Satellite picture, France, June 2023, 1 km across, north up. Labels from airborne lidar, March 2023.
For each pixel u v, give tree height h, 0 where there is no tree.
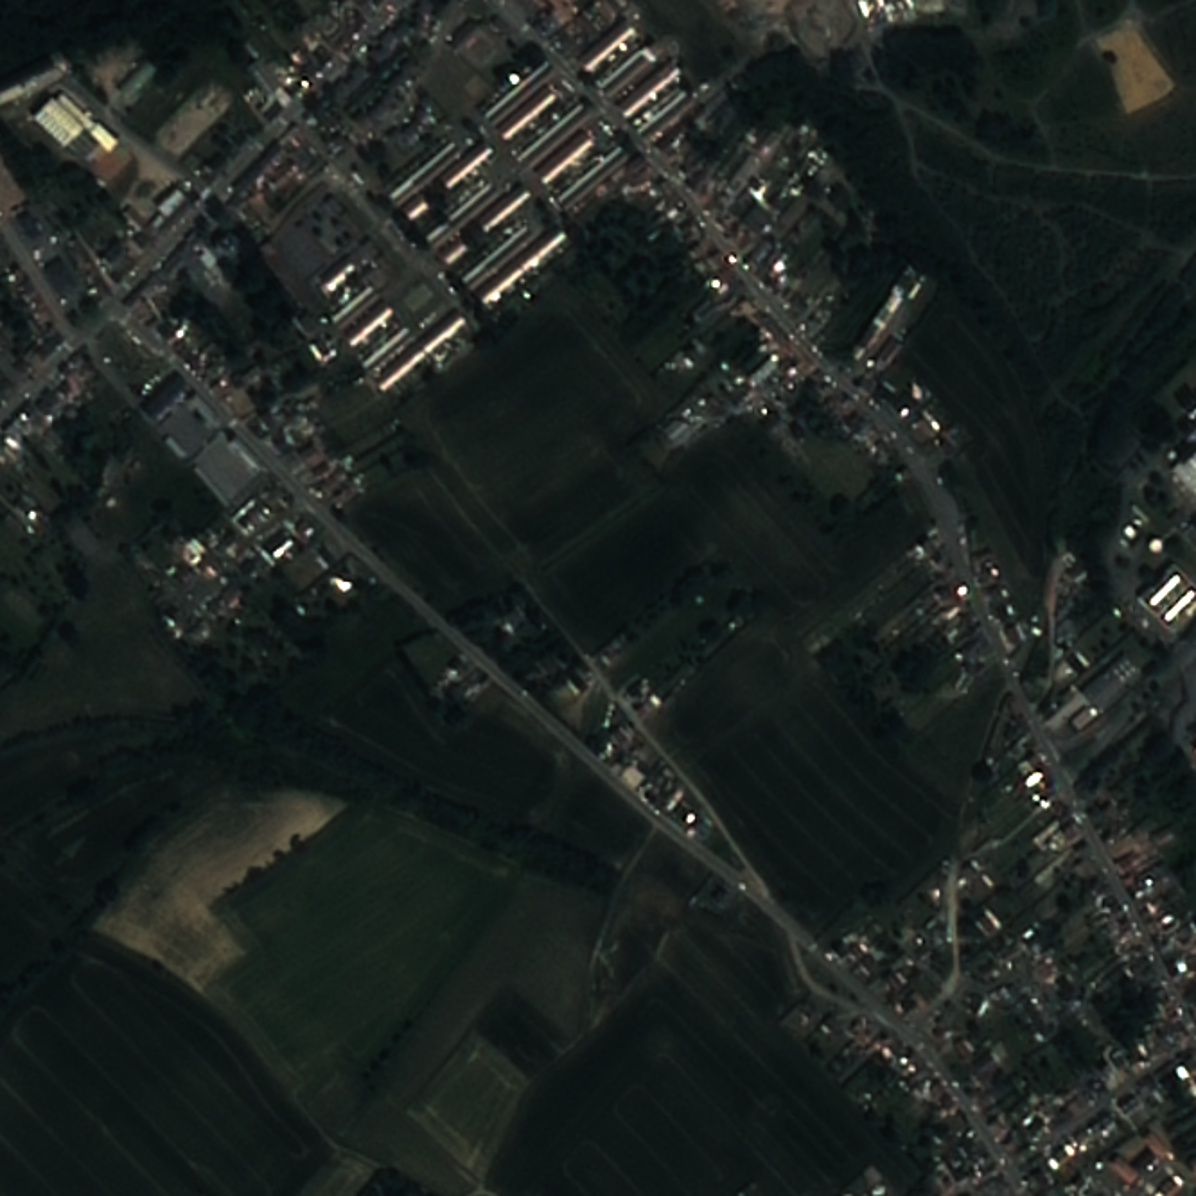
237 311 0
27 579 7
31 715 0
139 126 0
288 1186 0
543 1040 0
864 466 0
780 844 0
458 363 0
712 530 0
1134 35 0
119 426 6
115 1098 0
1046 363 6
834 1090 0
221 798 0
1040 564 0
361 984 0
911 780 0
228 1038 0
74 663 0
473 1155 0
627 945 0
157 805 0
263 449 0
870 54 0
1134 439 0
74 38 20
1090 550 9
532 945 0
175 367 0
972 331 0
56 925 0
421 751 0
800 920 0
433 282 0
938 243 6
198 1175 0
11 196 0
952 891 0
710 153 8
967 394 0
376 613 0
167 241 0
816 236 0
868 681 9
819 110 7
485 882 0
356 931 0
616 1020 0
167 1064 0
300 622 22
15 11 26
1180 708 0
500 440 0
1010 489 0
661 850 0
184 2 23
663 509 0
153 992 0
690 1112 0
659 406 0
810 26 0
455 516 0
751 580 0
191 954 0
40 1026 0
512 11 0
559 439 0
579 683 7
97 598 0
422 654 0
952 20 0
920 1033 0
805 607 0
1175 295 7
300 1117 0
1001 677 0
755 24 0
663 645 0
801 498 9
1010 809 0
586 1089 0
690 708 0
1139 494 0
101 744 0
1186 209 5
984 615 0
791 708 0
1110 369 6
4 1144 0
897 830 0
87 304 10
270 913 0
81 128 0
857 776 0
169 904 0
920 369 0
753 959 0
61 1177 0
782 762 0
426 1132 0
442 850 0
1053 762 0
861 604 0
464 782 0
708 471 0
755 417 0
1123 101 0
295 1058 0
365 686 0
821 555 0
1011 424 0
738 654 0
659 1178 0
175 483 0
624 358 0
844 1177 0
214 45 0
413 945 0
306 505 0
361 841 0
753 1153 0
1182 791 10
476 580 0
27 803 0
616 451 0
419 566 0
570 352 0
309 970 0
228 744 7
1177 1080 7
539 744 0
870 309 0
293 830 0
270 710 20
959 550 0
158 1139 0
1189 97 0
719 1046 0
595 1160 0
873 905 6
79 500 7
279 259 0
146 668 0
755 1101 0
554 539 0
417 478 0
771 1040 0
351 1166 0
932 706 0
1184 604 0
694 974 0
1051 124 0
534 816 0
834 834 0
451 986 0
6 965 0
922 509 0
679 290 7
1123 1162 0
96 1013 0
